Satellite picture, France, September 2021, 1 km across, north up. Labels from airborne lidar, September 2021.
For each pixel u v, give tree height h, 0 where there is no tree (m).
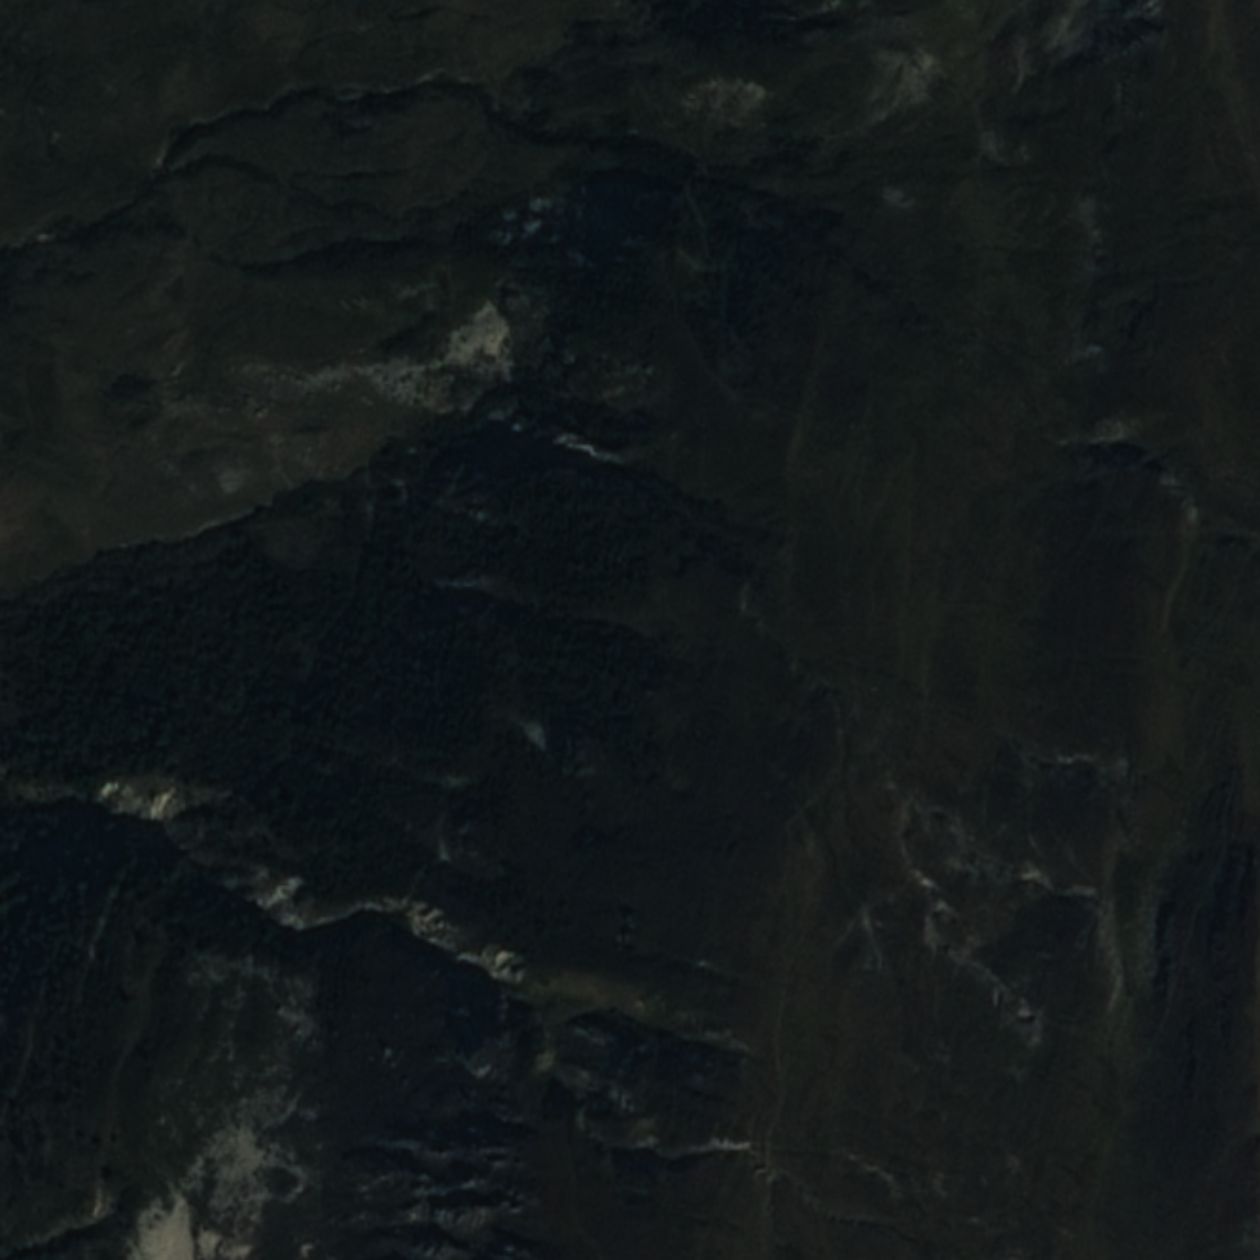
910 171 0
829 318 0
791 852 0
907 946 0
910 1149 0
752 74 0
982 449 0
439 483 0
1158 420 0
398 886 0
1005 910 0
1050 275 0
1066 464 0
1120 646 0
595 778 0
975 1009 0
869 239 0
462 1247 0
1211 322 0
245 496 0
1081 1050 0
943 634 0
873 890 0
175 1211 0
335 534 0
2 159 0
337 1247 0
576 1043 0
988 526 0
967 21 0
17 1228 0
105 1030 0
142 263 0
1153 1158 0
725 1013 0
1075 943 0
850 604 0
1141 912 0
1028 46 0
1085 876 0
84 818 7
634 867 0
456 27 0
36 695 8
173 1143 0
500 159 0
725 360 0
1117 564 0
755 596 0
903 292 0
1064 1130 0
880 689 0
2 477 0
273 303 0
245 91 0
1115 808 0
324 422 0
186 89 0
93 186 0
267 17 0
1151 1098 0
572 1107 0
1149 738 0
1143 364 0
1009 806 0
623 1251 0
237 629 8
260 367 0
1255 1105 0
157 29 0
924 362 0
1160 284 0
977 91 0
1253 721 0
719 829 0
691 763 0
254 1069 0
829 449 0
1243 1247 0
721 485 0
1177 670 0
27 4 0
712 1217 0
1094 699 0
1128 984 0
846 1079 0
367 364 0
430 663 6
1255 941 0
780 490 0
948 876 0
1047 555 0
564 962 0
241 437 0
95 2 0
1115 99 0
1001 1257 0
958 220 0
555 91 0
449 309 0
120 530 0
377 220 0
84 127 0
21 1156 12
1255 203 0
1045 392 0
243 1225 0
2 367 0
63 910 9
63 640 6
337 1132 0
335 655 6
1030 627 0
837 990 0
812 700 0
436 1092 0
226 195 0
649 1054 0
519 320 0
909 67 0
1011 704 0
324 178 0
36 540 0
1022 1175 0
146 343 0
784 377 0
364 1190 0
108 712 7
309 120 0
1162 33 0
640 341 0
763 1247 0
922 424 0
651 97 0
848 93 0
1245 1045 0
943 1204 0
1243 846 0
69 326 0
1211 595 0
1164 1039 0
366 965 0
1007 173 0
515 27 0
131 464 0
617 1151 0
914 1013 0
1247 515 0
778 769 0
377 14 0
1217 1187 0
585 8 0
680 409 0
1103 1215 0
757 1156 0
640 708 0
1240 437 0
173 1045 0
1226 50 0
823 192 0
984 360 0
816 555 0
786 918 0
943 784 0
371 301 0
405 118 0
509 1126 0
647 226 0
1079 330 0
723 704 0
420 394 0
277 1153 0
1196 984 0
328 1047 0
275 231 0
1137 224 0
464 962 0
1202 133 0
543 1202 0
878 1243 0
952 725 0
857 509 0
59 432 0
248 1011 0
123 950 0
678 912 0
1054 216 0
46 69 0
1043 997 0
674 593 0
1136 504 0
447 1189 0
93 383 0
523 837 0
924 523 0
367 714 0
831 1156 0
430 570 0
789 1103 0
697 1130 0
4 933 6
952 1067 0
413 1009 0
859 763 0
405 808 0
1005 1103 0
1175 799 0
